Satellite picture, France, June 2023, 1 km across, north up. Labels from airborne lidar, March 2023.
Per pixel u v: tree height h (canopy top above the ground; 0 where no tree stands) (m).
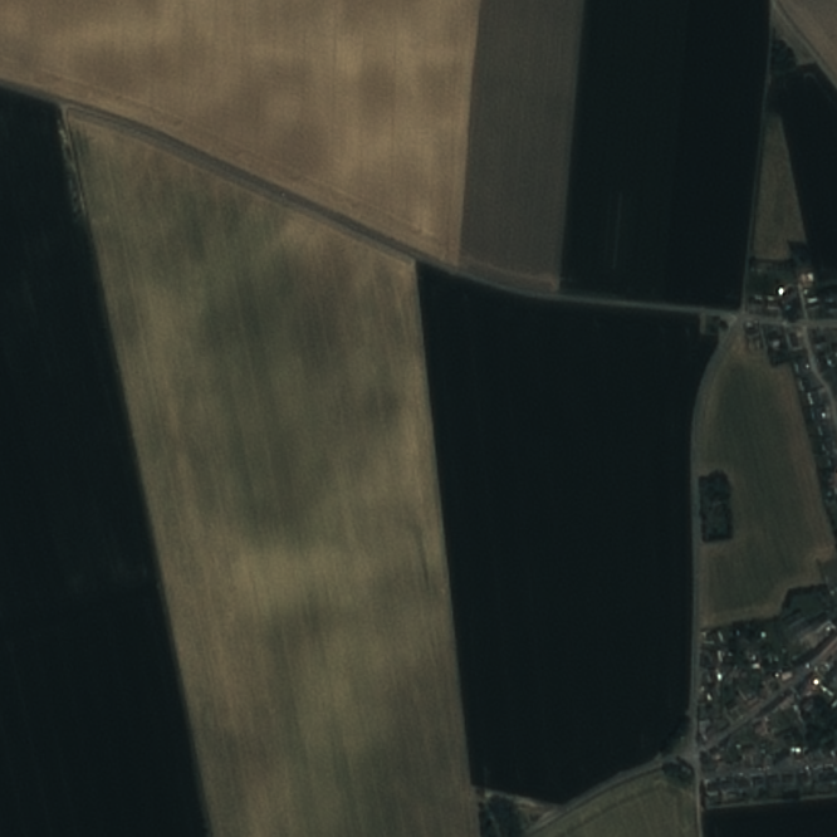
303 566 0
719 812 0
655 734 0
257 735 0
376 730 0
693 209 0
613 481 0
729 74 0
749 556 0
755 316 0
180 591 0
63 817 0
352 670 0
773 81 0
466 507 0
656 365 0
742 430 0
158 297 0
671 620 0
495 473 0
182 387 0
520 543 0
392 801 0
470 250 0
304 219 0
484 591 0
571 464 0
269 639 0
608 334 0
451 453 0
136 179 0
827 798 0
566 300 0
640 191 0
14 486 0
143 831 0
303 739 0
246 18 0
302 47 0
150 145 0
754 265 8
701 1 0
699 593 0
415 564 0
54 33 0
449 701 0
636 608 0
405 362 0
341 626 0
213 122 0
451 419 0
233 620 0
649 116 0
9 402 0
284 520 0
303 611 0
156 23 0
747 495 0
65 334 0
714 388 0
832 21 0
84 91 0
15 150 0
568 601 0
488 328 0
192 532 0
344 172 0
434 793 0
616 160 0
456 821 0
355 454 0
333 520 0
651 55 0
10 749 0
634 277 0
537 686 0
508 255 0
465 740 0
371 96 0
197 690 0
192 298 0
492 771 0
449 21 0
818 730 10
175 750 0
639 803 0
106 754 0
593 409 0
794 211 0
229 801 0
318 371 0
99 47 0
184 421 0
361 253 0
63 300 0
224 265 0
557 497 0
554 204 0
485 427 0
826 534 0
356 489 0
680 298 0
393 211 0
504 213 0
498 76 0
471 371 0
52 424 0
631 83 0
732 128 0
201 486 0
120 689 0
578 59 0
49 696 0
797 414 0
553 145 0
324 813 0
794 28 0
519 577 0
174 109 0
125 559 0
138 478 0
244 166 0
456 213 0
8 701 0
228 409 0
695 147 0
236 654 0
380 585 0
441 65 0
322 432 0
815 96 0
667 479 0
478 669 0
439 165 0
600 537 0
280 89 0
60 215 0
